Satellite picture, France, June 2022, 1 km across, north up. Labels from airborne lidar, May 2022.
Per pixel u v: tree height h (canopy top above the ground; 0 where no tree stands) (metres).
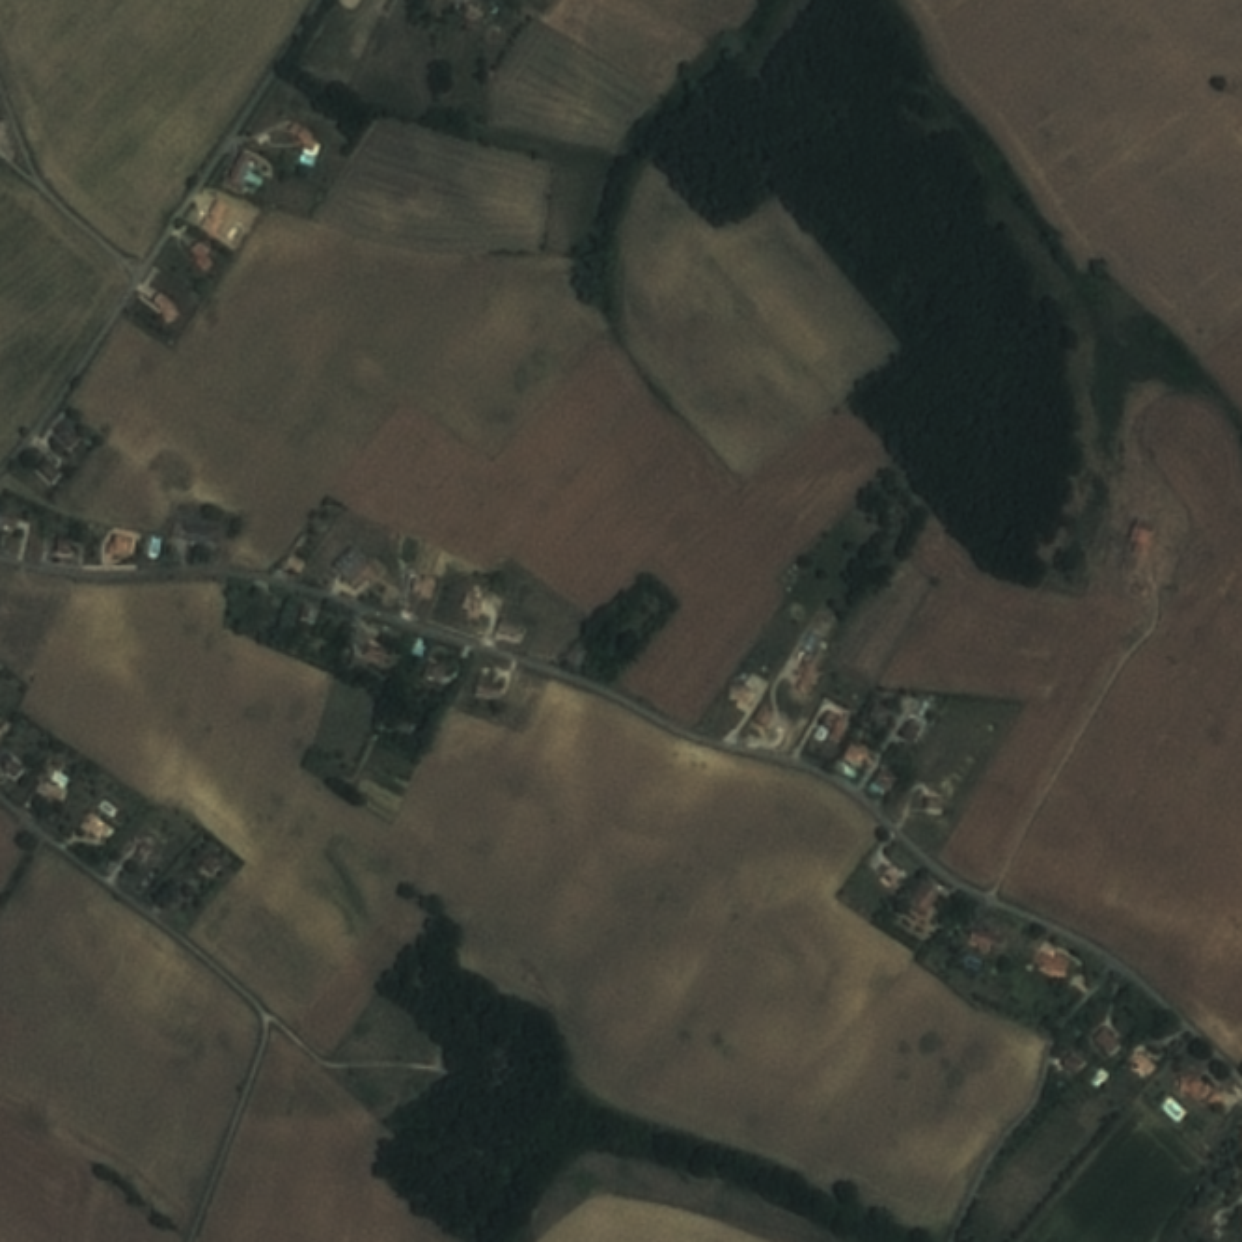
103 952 0
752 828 0
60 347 0
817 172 16
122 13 0
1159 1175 0
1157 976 0
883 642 0
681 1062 0
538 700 0
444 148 0
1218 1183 14
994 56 0
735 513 0
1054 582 0
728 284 0
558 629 0
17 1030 0
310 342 0
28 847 15
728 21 0
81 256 0
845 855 0
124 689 0
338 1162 0
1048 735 0
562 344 0
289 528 0
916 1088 0
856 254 17
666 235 0
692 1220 0
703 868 0
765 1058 0
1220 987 0
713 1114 0
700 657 0
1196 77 0
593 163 0
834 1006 0
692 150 20
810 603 0
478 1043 7
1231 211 0
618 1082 0
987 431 17
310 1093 0
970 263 18
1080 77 0
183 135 0
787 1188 14
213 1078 0
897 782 8
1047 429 18
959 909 11
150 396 0
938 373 17
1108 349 0
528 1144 16
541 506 0
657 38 0
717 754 0
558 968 0
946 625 0
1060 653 0
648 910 0
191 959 0
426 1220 12
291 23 0
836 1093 0
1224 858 0
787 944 0
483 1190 20
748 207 18
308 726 0
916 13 0
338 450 0
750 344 0
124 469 0
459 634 0
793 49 18
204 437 0
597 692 0
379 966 0
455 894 0
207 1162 0
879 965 0
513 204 0
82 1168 0
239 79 0
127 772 0
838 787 0
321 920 0
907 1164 0
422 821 0
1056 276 0
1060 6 0
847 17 20
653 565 0
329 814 0
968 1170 0
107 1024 0
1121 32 0
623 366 0
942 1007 0
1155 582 0
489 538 0
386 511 0
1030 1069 0
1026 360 18
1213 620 0
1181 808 0
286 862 0
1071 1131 0
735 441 0
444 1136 15
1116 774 0
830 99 16
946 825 0
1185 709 0
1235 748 0
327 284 0
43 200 0
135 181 0
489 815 0
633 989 0
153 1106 0
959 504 16
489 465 0
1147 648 0
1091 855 0
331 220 0
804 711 0
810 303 0
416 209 0
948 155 17
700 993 0
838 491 0
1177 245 0
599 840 0
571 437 0
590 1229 0
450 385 0
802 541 0
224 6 0
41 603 0
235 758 0
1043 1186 0
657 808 0
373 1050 0
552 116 0
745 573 0
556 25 0
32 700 0
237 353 0
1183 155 0
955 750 0
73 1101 0
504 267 0
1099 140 0
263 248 0
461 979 17
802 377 0
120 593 0
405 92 0
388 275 0
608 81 0
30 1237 0
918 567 0
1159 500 0
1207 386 0
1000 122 0
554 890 0
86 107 0
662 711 0
